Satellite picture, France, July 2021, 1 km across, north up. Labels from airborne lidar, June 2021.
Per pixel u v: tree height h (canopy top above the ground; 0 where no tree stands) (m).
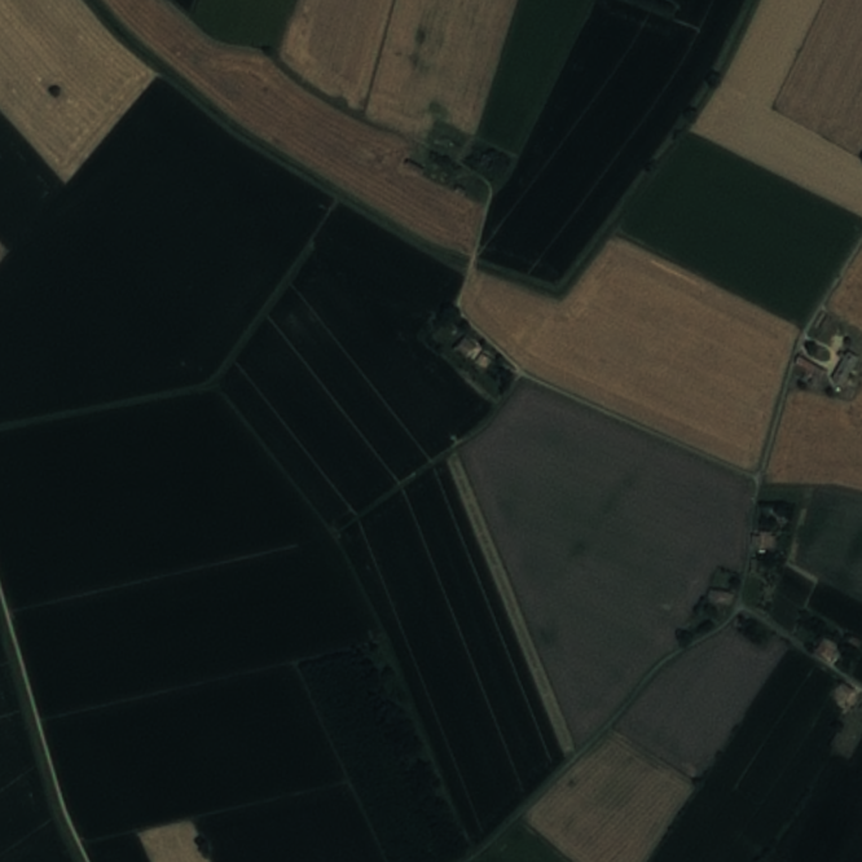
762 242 0
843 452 0
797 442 0
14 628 0
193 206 0
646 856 0
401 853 14
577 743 0
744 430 0
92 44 0
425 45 0
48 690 0
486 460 0
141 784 0
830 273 0
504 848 0
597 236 0
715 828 0
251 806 0
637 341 0
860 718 0
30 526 0
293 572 0
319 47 0
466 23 0
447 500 0
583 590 0
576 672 0
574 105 0
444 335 0
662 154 0
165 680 0
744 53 0
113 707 0
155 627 0
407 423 0
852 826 0
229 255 0
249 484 0
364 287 0
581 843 0
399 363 0
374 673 17
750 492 0
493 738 0
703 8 0
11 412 0
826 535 0
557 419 0
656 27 0
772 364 0
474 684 0
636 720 0
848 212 0
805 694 0
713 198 0
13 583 0
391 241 0
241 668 0
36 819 0
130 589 0
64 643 0
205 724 0
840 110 0
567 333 0
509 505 0
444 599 0
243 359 0
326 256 0
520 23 0
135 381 0
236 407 0
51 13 0
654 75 0
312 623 0
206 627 0
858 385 0
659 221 0
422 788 16
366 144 0
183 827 0
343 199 0
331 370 0
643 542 0
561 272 0
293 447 0
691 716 0
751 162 0
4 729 0
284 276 0
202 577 0
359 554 0
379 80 0
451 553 0
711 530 0
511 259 0
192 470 0
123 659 0
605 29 0
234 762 0
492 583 0
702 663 0
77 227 0
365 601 0
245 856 0
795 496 0
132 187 0
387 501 0
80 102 0
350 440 0
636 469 0
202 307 0
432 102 0
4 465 0
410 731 16
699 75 0
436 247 0
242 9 0
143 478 0
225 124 0
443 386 0
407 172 0
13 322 0
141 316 0
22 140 0
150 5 0
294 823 0
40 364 0
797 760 0
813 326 0
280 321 0
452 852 16
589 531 0
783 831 0
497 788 0
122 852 0
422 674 0
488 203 0
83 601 0
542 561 0
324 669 14
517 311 0
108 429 0
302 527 0
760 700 0
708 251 0
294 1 0
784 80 0
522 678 0
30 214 0
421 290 0
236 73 0
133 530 0
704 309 0
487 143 0
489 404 0
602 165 0
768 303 0
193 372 0
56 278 0
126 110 0
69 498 0
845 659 8
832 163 0
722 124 0
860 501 0
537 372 0
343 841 0
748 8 0
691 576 0
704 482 0
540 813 0
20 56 0
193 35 0
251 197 0
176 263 0
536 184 0
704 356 0
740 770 0
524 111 0
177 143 0
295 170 0
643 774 0
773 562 11
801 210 0
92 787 0
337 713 16
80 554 0
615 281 0
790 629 0
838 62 0
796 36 0
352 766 13
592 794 0
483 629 0
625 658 0
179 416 0
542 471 0
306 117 0
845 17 0
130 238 0
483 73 0
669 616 0
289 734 0
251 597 0
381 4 0
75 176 0
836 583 0
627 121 0
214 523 0
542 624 0
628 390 0
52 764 0
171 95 0
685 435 0
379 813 15
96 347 0
